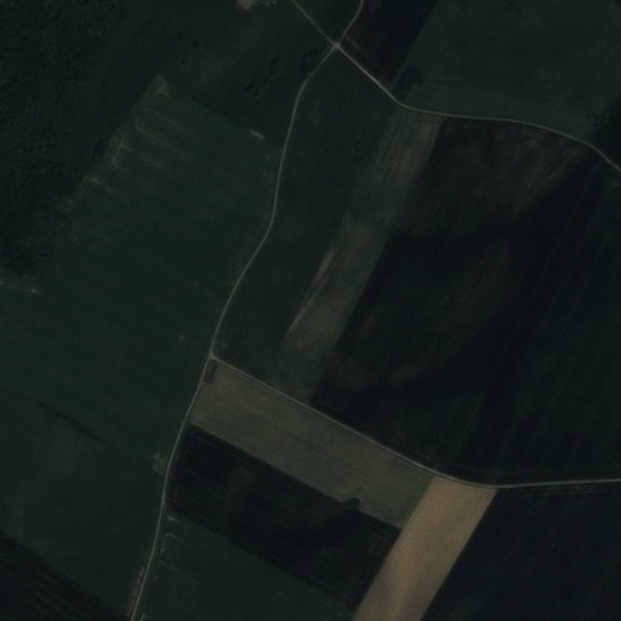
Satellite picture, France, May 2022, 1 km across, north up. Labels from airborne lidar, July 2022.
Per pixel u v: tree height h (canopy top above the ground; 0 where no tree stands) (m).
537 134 0
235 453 0
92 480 0
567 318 0
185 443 0
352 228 0
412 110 0
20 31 22
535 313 0
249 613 0
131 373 0
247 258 0
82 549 0
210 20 0
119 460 0
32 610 0
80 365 0
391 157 0
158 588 0
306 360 0
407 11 0
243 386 0
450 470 0
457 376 0
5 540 0
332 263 0
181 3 0
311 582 0
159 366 0
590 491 0
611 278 0
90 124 0
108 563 0
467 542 0
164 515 0
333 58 0
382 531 0
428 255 0
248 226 0
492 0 0
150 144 0
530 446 0
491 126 0
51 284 0
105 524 0
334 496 0
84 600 0
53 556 0
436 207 0
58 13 20
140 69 0
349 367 0
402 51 0
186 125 0
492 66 0
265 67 0
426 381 0
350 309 0
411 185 0
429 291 0
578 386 0
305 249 0
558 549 0
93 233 0
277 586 0
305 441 0
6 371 0
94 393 0
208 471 0
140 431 0
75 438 0
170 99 0
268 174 0
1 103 19
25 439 0
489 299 0
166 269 0
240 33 0
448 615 0
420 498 0
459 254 0
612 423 0
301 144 0
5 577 0
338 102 0
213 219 0
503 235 0
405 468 0
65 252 0
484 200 0
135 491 0
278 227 0
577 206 0
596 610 0
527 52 0
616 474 0
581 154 0
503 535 0
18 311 0
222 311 0
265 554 0
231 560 0
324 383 0
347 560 0
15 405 0
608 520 0
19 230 17
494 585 0
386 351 0
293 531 0
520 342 0
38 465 0
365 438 0
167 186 0
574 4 0
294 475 0
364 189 0
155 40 0
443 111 0
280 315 0
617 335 0
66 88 21
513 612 0
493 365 0
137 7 0
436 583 0
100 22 21
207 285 0
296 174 0
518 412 0
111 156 0
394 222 0
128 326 0
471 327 0
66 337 0
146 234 0
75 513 0
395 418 0
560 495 0
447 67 0
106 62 0
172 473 0
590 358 0
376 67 0
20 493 0
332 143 0
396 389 0
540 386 0
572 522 0
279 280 0
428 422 0
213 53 0
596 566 0
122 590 0
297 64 0
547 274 0
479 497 0
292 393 0
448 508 0
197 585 0
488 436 0
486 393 0
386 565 0
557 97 0
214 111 0
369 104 0
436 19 0
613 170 0
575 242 0
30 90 20
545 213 0
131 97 0
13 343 0
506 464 0
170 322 0
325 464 0
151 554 0
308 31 0
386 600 0
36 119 14
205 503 0
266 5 0
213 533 0
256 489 0
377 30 0
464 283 0
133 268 0
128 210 0
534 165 0
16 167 12
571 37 0
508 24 0
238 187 0
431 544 0
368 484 0
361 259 0
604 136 0
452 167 0
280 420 0
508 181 0
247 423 0
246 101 0
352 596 0
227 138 0
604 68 0
